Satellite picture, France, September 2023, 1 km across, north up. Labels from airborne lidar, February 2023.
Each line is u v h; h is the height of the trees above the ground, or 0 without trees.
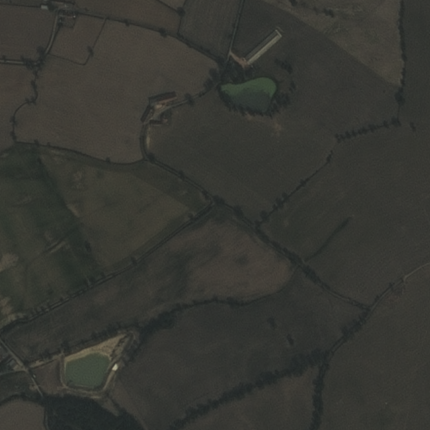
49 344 0
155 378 0
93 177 0
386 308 0
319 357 16
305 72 0
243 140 0
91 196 0
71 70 0
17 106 0
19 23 0
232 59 0
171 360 0
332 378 0
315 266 0
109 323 0
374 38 0
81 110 0
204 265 0
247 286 0
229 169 0
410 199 0
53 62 0
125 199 0
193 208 0
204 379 0
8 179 0
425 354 0
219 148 0
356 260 0
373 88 0
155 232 0
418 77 0
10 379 0
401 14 10
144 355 0
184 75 0
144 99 0
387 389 0
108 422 20
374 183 0
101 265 0
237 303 12
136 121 0
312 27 0
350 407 0
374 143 0
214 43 0
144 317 0
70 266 0
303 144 0
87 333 0
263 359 0
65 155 0
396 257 0
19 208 0
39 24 0
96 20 0
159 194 0
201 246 0
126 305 0
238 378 0
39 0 0
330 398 0
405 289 0
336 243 0
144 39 0
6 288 0
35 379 0
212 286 0
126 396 0
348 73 0
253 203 0
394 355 0
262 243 0
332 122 0
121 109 0
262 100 0
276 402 0
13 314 0
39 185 0
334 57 0
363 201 0
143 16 0
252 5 0
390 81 0
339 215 0
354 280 0
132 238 0
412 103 0
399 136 0
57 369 0
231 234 0
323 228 0
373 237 0
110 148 0
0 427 0
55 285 0
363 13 0
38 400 14
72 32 0
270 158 0
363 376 0
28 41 0
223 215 0
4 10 0
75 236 0
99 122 0
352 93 0
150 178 0
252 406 0
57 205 0
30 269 0
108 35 0
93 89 0
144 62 0
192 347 0
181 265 0
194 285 0
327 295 0
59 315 0
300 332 0
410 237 0
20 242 0
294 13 0
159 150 0
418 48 0
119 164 0
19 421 0
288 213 0
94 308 0
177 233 0
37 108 0
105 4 0
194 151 0
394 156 0
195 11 0
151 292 0
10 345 0
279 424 0
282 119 0
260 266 0
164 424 0
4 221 0
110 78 0
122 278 0
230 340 0
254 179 0
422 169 0
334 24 0
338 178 0
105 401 0
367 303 0
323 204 0
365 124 0
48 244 0
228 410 0
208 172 0
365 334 0
